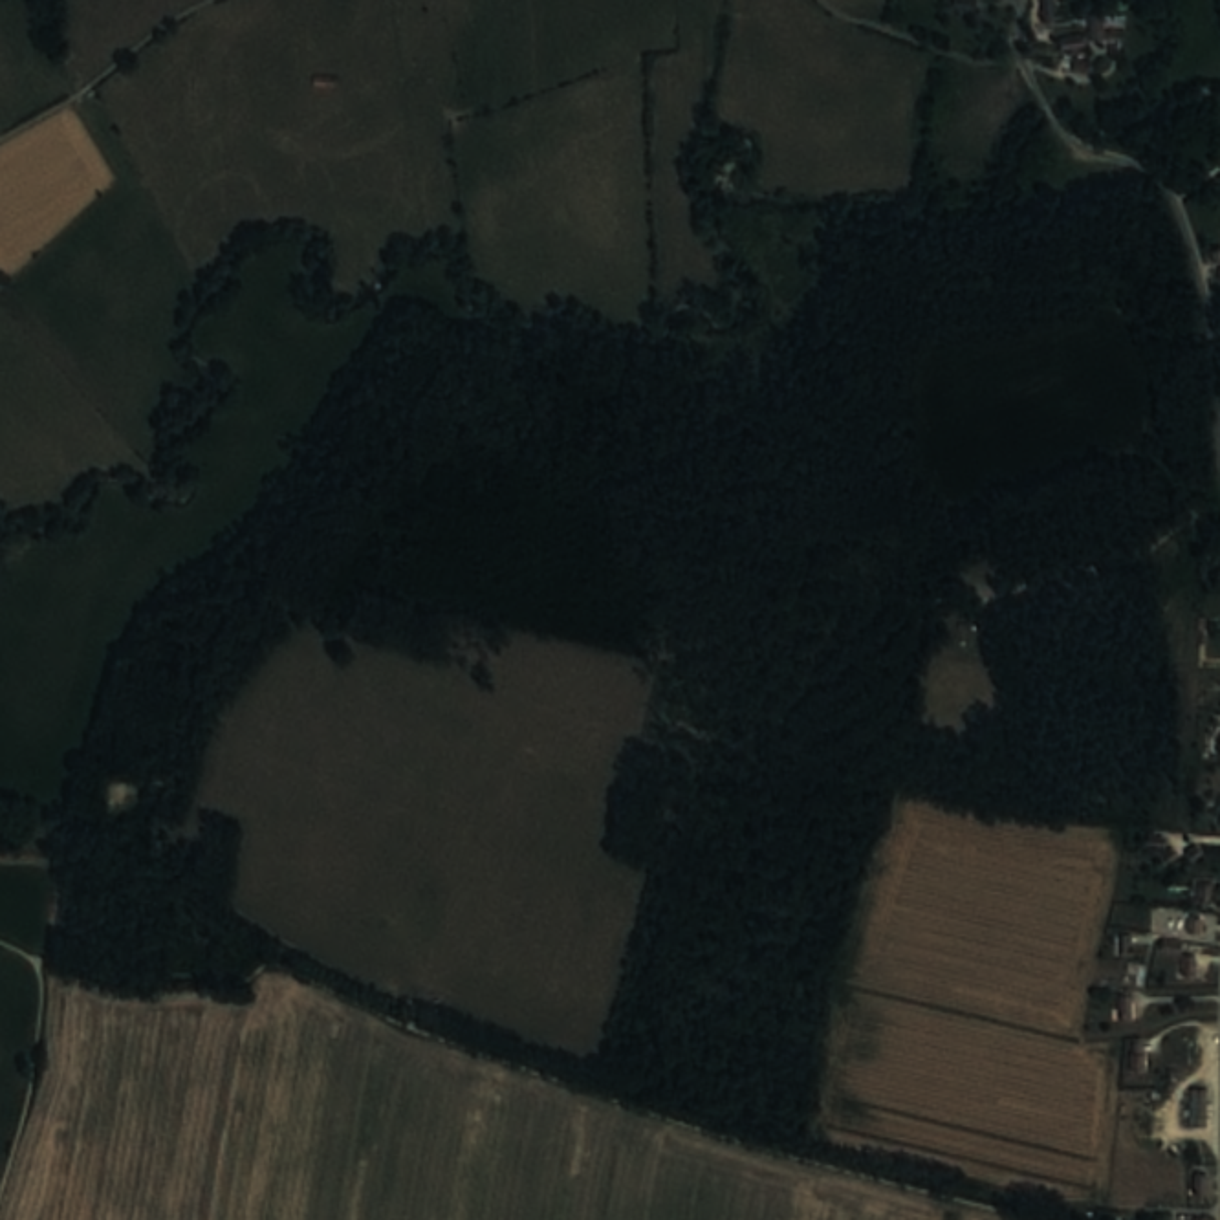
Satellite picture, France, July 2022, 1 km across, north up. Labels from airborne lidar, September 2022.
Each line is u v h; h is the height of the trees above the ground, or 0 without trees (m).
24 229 0
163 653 13
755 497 28
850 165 0
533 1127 0
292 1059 0
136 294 0
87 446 0
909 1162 17
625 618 6
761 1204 0
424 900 0
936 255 28
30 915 0
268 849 0
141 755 25
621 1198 0
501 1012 0
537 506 9
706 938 14
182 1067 0
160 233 0
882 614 19
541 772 0
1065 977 0
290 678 0
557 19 0
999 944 0
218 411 16
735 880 6
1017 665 24
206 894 24
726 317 19
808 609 15
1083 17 10
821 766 22
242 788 0
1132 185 20
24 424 0
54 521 11
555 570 8
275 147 0
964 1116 0
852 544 15
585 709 0
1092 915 0
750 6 0
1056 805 32
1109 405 0
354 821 0
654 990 9
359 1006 13
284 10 0
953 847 0
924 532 26
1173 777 33
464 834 0
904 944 0
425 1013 17
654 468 25
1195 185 16
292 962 18
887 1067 0
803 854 26
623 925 0
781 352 21
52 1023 0
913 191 11
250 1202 0
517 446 6
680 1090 17
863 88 0
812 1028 21
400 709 0
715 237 19
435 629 21
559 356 27
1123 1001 0
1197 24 0
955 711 0
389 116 0
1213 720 6
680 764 24
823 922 23
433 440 24
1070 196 6
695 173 19
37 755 0
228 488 0
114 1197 0
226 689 23
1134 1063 0
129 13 0
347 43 0
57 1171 0
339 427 14
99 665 0
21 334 0
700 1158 0
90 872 26
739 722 14
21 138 0
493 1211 0
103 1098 0
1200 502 13
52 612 0
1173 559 0
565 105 0
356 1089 0
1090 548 27
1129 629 34
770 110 0
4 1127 0
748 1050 19
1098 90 11
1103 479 21
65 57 7
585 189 0
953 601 29
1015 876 0
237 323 0
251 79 0
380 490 20
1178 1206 0
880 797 17
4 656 0
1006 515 12
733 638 16
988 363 0
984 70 0
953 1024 0
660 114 0
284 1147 0
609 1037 10
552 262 0
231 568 26
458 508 9
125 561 0
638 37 0
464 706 0
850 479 26
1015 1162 0
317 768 0
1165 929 0
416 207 0
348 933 0
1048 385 0
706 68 0
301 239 10
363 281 0
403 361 21
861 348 32
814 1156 17
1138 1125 0
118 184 0
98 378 0
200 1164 0
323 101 0
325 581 26
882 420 26
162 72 0
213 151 0
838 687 21
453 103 0
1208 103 13
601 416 8
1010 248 26
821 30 0
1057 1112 0
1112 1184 0
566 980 0
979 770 23
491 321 21
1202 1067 0
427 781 0
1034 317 25
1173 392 19
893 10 10
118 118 0
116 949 24
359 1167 0
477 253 0
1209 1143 0
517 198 0
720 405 27
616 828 20
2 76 0
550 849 0
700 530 23
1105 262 26
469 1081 0
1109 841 0
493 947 0
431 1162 0
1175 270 13
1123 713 32
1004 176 16
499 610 7
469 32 0
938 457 0
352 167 0
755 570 18
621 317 0
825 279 10
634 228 0
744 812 11
